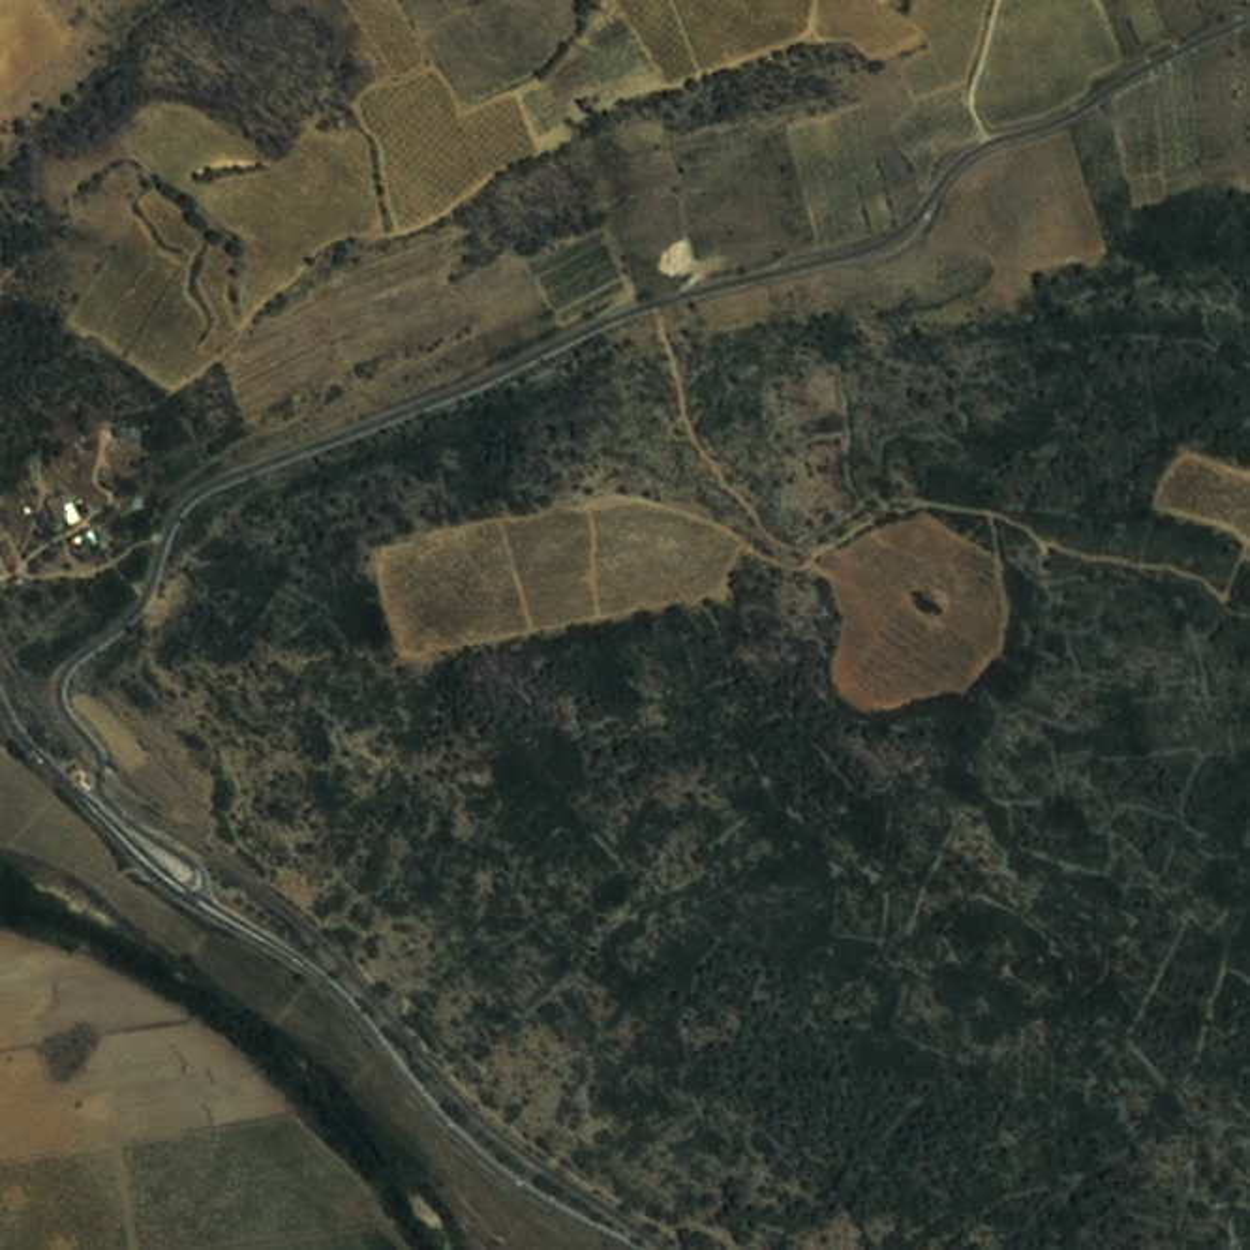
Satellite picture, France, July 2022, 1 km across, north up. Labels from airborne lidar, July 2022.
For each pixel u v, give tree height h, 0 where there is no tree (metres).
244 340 0
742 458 0
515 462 10
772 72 9
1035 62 0
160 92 7
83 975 0
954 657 0
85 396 6
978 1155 9
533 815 0
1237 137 0
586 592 0
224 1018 8
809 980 9
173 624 0
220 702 5
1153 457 8
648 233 0
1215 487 0
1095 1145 12
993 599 0
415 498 0
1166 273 5
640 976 0
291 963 0
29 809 0
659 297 0
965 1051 6
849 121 0
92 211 0
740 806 6
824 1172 10
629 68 0
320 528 7
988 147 0
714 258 0
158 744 0
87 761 0
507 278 0
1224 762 6
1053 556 7
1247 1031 11
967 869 8
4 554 0
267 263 0
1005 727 0
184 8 14
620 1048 8
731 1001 10
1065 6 0
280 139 12
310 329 0
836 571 0
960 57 0
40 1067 0
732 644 7
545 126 0
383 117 0
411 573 0
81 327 0
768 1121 8
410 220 0
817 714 11
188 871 0
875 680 0
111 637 0
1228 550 8
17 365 7
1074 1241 8
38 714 0
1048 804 6
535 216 6
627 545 0
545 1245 0
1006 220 0
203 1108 0
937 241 0
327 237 0
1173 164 0
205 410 8
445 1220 6
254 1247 0
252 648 8
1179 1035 5
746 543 0
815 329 6
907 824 8
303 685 7
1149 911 8
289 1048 8
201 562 0
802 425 0
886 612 0
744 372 0
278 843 0
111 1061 0
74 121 14
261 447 0
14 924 11
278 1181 0
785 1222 15
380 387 0
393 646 0
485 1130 0
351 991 0
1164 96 0
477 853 7
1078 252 0
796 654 11
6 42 0
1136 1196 10
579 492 0
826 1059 10
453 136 0
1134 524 5
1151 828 8
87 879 0
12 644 0
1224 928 0
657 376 0
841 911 6
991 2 0
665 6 0
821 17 0
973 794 5
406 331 0
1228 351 6
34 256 11
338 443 0
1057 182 0
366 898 0
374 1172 7
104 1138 0
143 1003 0
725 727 6
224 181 0
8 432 8
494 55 0
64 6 0
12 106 0
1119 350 9
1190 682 0
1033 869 0
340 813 0
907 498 0
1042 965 6
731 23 0
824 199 0
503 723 9
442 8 0
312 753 7
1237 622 5
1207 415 8
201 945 0
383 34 0
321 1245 0
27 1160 0
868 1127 13
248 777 0
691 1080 5
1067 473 6
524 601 0
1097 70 0
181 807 0
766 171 0
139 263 0
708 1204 10
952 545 0
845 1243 0
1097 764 6
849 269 0
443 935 6
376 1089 0
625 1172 0
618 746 7
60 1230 0
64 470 0
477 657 10
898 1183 10
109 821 0
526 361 0
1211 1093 7
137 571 8
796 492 0
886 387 0
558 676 10
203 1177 0
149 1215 0
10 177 11
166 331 0
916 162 0
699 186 0
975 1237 0
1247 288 6
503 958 9
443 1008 0
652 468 0
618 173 0
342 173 0
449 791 0
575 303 0
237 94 12
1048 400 7
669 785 8
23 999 0
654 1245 0
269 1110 0
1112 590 0
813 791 5
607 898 6
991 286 0
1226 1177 9
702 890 0
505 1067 0
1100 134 0
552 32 0
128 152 0
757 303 0
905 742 11
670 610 6
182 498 0
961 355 0
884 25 0
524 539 0
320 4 0
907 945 6
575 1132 0
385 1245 0
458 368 0
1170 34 0
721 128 0
